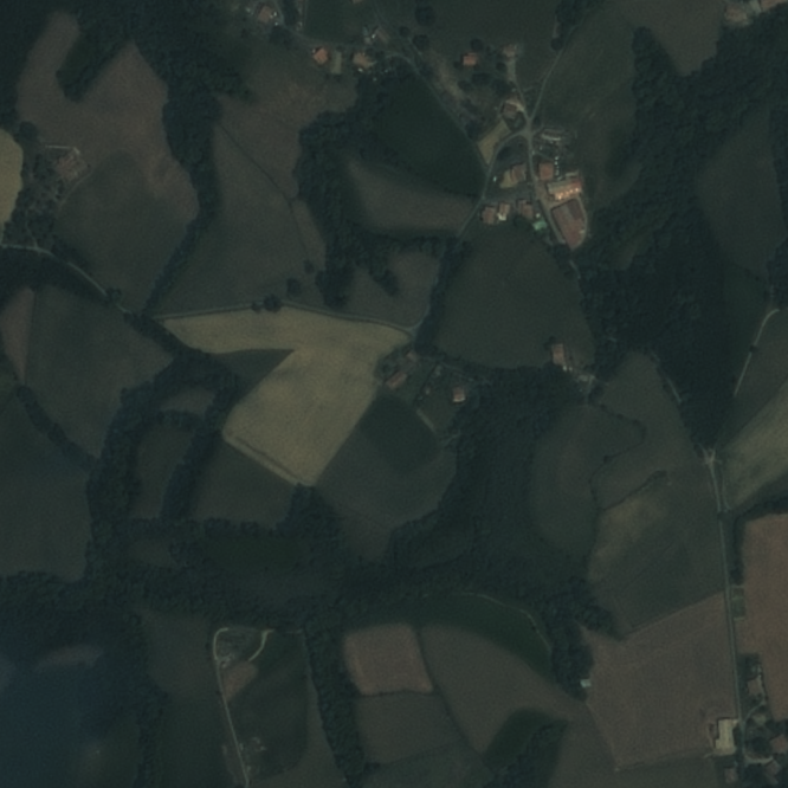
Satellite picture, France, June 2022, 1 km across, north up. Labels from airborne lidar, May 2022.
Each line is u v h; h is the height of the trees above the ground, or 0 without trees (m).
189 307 0
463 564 18
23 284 15
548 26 0
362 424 0
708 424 22
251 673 0
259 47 0
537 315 0
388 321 0
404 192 0
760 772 15
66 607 30
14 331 0
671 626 0
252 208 0
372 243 21
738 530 8
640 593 0
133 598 24
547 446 0
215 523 19
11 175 0
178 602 28
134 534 22
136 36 20
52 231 9
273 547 0
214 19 13
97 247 0
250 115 0
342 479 0
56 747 0
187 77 30
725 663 0
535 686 0
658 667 0
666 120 13
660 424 0
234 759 0
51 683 0
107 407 0
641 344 11
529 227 9
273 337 0
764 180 0
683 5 0
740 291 0
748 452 0
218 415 25
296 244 0
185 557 16
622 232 26
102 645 12
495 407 13
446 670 0
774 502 8
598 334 8
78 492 0
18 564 0
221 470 0
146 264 0
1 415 0
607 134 0
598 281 26
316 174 11
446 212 0
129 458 29
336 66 0
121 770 0
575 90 0
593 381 0
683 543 0
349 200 0
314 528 23
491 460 7
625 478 0
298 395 0
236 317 0
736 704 0
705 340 21
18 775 0
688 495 0
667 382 7
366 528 0
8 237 8
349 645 0
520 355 0
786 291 14
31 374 0
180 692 0
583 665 10
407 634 0
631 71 0
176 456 0
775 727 11
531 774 23
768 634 0
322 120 9
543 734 12
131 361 0
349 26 0
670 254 17
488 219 0
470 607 0
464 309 0
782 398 0
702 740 0
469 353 0
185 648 0
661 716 0
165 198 0
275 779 0
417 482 0
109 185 0
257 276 0
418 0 6
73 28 0
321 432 0
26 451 0
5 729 0
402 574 18
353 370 0
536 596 14
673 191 16
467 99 0
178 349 16
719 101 24
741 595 0
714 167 0
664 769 0
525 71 0
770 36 17
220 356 0
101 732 14
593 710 0
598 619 25
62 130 0
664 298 17
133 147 0
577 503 0
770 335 0
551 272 0
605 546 0
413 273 0
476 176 0
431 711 0
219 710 0
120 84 0
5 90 21
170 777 0
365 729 0
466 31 0
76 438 0
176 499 25
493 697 0
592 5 19
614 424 0
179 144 26
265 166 0
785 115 17
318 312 0
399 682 0
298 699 0
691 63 0
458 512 20
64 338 0
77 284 12
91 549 12
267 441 0
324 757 0
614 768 0
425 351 21
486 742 0
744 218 0
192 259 18
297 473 0
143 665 25
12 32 17
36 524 0
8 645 15
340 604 14
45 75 0
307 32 0
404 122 0
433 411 0
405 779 0
